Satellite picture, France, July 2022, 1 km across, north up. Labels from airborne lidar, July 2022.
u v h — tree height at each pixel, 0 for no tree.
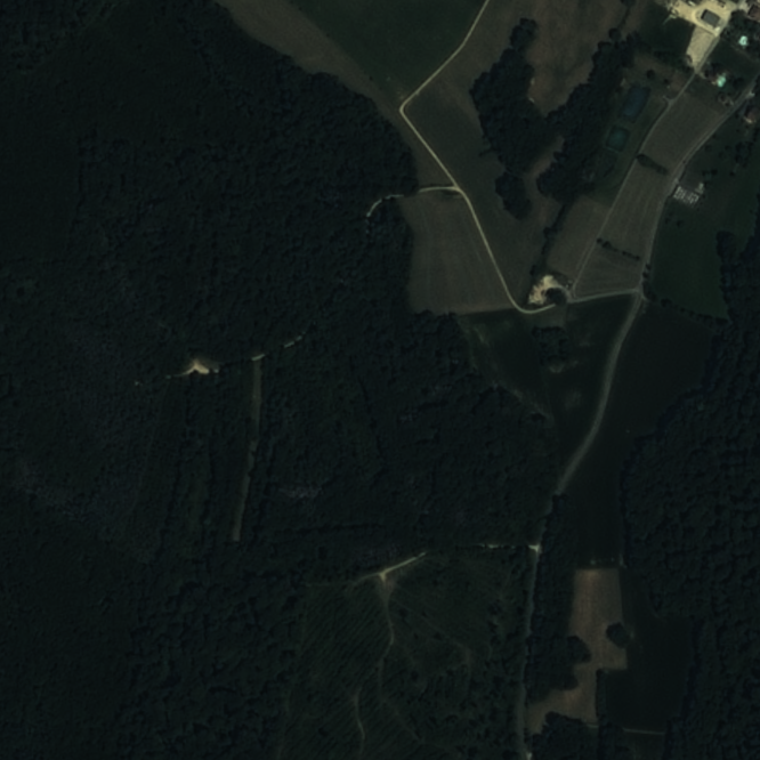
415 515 24
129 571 17
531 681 16
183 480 20
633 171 0
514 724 16
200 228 21
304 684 8
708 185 9
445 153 0
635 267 0
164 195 22
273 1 0
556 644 35
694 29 0
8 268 25
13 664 20
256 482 22
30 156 17
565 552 28
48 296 19
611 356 0
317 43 0
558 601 24
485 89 19
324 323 28
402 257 12
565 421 0
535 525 24
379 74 0
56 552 15
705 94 0
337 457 20
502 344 0
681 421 22
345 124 22
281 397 20
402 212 11
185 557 21
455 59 0
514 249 0
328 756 7
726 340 18
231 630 29
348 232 30
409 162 27
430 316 13
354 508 21
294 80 29
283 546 28
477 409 27
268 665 32
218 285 15
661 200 0
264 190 16
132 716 18
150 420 17
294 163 21
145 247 19
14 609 21
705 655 26
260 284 24
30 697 26
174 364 6
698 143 0
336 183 7
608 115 24
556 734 23
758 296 30
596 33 0
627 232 0
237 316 19
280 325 26
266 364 11
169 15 12
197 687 37
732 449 26
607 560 0
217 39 14
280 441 16
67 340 17
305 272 28
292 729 5
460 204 0
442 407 26
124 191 17
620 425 0
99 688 18
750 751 23
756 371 13
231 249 24
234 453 20
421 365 19
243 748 23
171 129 9
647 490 20
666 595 23
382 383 30
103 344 16
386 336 38
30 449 26
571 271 0
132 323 13
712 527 9
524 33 16
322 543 29
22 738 24
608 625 0
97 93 9
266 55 16
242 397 20
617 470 0
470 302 0
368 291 26
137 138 9
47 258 12
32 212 15
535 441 22
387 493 26
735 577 27
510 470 24
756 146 9
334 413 15
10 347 22
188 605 28
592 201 0
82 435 18
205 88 11
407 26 0
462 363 22
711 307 0
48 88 9
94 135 8
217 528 17
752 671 8
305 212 29
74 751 17
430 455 26
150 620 30
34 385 22
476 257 0
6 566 16
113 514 23
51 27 33
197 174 26
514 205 26
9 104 17
